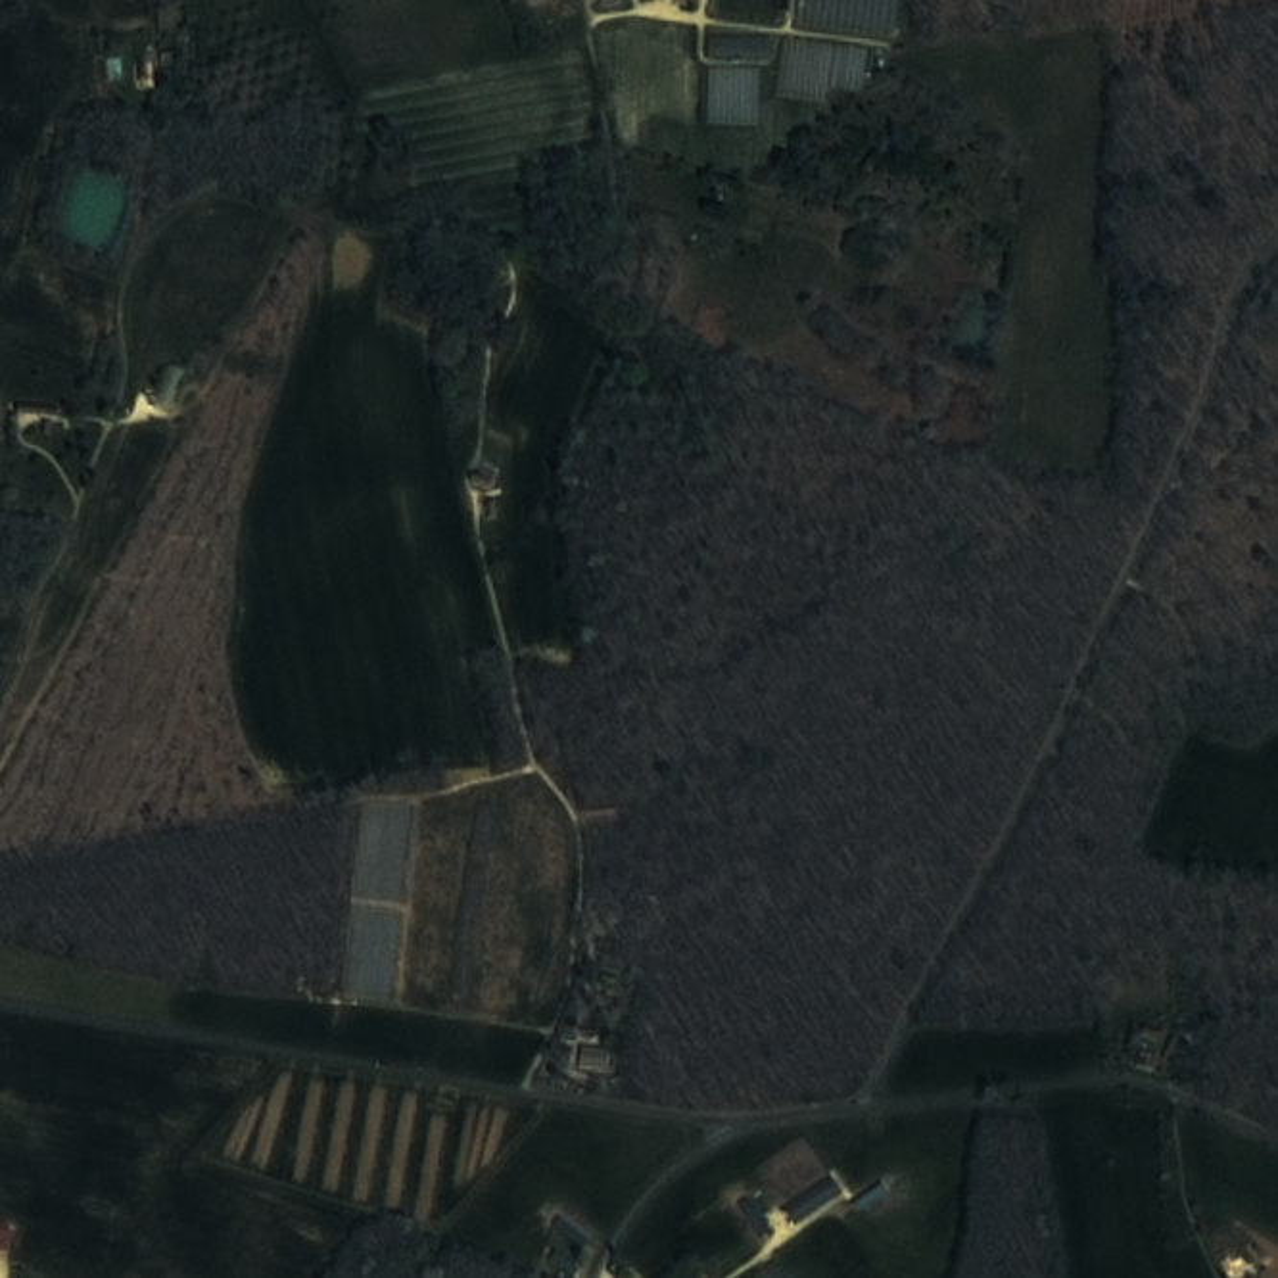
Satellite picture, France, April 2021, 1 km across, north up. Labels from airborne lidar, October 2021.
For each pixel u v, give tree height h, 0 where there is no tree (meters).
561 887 0
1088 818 18
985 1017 23
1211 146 15
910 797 18
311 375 0
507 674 19
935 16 22
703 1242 0
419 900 0
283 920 17
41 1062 0
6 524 18
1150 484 12
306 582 0
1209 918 20
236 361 0
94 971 11
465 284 22
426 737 0
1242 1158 0
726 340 0
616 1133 0
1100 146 6
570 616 10
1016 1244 21
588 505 17
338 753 0
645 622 11
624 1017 14
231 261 0
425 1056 0
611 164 19
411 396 0
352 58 0
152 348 0
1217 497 14
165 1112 0
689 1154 0
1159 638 20
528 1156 0
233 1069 0
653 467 16
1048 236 0
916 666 17
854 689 17
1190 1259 0
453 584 0
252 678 0
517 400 0
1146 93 14
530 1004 0
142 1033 0
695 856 19
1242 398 16
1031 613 17
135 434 0
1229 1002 20
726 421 13
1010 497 19
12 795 0
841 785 17
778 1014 0
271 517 0
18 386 0
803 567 11
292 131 28
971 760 17
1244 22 17
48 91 0
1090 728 20
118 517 0
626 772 18
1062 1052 0
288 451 0
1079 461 0
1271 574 27
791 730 15
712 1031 0
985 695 18
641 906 20
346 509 0
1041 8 18
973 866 13
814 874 18
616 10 0
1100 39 12
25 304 0
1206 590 16
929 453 20
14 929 19
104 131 19
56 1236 0
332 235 0
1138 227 18
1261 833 0
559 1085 13
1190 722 20
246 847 20
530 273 19
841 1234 0
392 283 10
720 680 16
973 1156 16
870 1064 16
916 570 17
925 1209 0
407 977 0
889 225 14
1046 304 0
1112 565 14
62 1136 0
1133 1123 0
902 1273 0
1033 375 0
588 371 0
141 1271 0
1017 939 18
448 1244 10
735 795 18
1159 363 18
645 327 21
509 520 0
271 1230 0
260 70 8
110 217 0
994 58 0
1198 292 19
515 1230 0
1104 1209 0
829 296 0
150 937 19
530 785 0
